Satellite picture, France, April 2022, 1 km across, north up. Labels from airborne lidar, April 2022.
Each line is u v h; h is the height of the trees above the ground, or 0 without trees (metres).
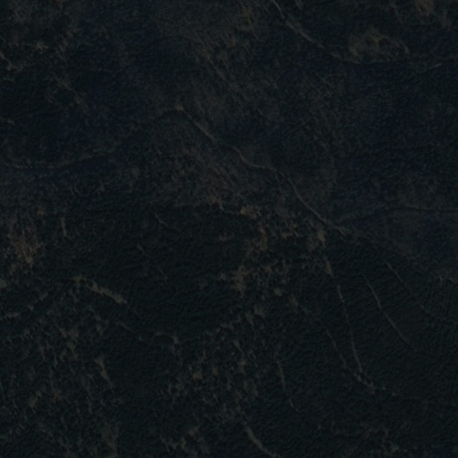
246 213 8
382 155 30
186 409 35
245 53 30
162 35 28
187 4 35
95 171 24
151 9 34
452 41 31
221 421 27
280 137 26
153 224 22
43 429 9
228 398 33
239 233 23
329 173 36
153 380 23
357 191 31
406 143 32
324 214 23
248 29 24
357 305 20
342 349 19
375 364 20
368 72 24
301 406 14
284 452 20
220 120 29
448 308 9
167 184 29
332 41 28
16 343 25
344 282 18
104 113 33
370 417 25
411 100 23
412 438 26
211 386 29
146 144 27
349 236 7
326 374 18
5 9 13
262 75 32
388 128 30
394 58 17
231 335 29
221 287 22
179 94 26
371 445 21
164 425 25
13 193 26
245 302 20
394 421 14
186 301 21
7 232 25
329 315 22
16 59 11
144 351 20
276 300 22
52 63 12
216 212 15
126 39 34
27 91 18
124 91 28
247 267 7
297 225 7
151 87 28
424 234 26
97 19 34
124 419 15
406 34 26
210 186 30
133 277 23
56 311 24
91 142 31
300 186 20
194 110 30
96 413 30
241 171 30
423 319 11
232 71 28
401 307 16
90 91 13
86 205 16
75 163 8
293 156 24
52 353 20
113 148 29
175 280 19
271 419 26
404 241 26
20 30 11
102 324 8
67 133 37
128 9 33
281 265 15
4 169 18
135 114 32
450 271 14
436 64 22
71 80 12
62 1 26
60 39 9
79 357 28
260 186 11
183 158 25
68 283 29
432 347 18
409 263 18
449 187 32
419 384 22
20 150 17
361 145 28
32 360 28
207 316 26
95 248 11
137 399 20
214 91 28
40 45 12
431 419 18
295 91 33
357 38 25
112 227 17
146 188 30
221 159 18
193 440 32
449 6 24
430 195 24
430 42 29
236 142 20
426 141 30
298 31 22
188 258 17
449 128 22
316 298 25
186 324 25
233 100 30
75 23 30
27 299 20
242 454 18
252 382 26
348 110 35
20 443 20
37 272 29
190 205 14
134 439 18
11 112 16
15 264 16
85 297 19
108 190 18
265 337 26
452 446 15
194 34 29
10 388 27
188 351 24
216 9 34
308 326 13
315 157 31
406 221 27
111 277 24
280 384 9
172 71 24
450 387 20
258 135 26
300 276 6
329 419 17
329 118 28
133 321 25
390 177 31
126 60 30
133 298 22
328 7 27
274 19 33
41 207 23
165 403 28
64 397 18
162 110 29
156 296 22
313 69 31
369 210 32
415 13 23
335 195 14
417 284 14
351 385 17
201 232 16
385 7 29
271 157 23
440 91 26
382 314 16
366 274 17
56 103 15
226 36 35
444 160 24
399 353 17
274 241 23
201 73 32
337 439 17
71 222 19
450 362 10
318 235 19
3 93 20
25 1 34
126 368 23
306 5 8
